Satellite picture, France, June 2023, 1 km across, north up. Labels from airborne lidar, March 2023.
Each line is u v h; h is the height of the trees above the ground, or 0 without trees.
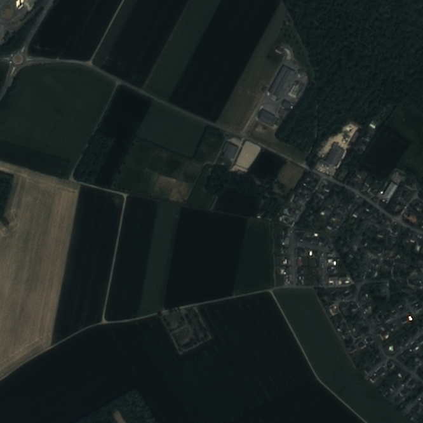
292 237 0
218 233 0
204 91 0
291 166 0
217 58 0
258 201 0
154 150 0
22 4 0
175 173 0
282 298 0
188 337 0
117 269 0
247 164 0
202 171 0
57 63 0
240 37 0
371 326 0
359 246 0
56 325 0
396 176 0
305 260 0
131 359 0
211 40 0
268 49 0
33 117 0
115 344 0
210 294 0
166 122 0
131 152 0
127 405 15
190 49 0
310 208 11
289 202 0
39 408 0
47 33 0
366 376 0
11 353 0
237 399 0
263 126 0
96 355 0
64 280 0
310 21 16
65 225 0
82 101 0
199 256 0
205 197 0
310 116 10
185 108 0
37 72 0
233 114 0
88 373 0
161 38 0
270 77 0
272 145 0
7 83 0
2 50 16
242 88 0
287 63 0
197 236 0
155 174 0
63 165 0
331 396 0
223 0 0
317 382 0
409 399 7
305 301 0
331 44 18
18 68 0
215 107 0
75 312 0
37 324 0
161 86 0
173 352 0
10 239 0
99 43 0
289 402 0
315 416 0
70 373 0
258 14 0
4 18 0
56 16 0
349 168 11
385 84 23
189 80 0
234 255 0
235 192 0
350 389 0
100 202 0
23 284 0
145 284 0
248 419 0
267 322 0
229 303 0
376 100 11
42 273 0
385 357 0
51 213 0
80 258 0
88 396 0
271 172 0
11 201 0
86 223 0
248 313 0
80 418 12
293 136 7
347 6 13
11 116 0
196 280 0
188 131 0
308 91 12
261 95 0
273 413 0
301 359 0
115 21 0
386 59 18
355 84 7
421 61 18
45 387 0
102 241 0
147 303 0
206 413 0
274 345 0
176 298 0
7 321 0
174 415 0
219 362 0
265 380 0
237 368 0
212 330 0
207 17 0
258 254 0
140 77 0
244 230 0
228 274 0
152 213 0
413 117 0
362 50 17
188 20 0
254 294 0
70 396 0
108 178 0
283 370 0
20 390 0
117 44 0
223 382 0
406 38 21
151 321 0
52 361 0
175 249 0
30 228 0
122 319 0
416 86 19
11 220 0
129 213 0
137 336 0
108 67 0
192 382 0
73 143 0
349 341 9
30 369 0
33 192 0
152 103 0
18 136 0
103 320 0
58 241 0
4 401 0
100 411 13
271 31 0
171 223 0
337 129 19
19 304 0
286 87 0
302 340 0
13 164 0
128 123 0
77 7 0
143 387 0
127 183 0
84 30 0
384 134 0
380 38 17
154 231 0
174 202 0
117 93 0
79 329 0
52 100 0
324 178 0
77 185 0
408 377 6
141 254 0
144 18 0
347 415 0
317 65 14
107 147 18
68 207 0
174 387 0
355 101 16
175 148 0
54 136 0
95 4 0
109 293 0
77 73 0
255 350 0
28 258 0
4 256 0
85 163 17
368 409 0
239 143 0
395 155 0
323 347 0
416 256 8
